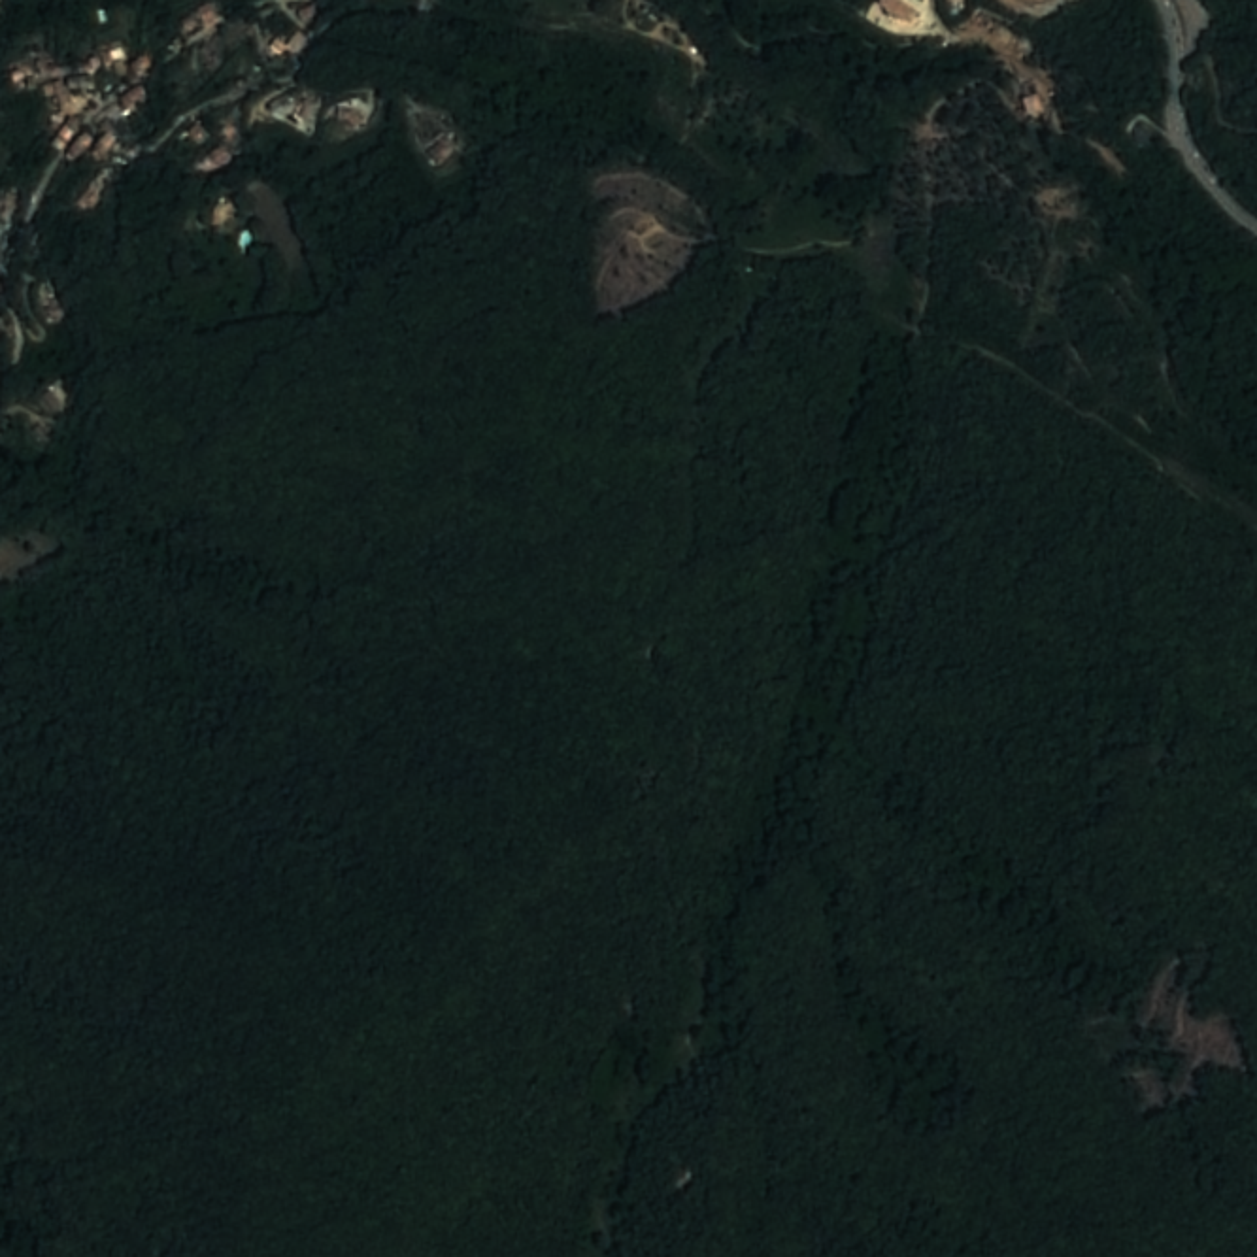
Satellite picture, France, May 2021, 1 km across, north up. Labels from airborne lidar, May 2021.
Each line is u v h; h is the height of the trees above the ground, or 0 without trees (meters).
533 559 13
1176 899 16
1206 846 17
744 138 8
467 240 13
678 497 20
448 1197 12
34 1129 12
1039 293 11
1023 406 11
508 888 13
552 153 16
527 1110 16
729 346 14
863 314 17
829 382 12
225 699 12
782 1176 16
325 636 15
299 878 12
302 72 10
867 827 12
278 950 9
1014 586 8
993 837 12
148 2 6
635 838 12
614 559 16
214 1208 11
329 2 10
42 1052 9
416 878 9
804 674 9
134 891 8
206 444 13
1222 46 12
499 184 14
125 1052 9
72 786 10
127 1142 12
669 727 11
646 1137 13
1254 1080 16
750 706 15
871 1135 10
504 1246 9
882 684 14
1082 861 12
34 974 17
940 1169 16
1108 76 7
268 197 0
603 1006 17
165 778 11
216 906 11
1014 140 17
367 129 0
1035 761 11
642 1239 16
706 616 19
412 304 11
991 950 12
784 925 15
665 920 10
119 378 14
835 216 11
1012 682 11
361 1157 16
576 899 12
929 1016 18
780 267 13
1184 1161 21
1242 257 6
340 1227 12
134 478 10
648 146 12
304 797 13
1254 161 8
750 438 11
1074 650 12
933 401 9
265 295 17
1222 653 17
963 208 9
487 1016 10
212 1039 9
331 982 11
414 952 14
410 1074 16
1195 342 24
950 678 11
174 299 13
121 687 13
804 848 23
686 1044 0
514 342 13
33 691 16
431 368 15
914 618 12
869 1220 14
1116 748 14
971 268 9
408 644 14
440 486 12
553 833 10
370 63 14
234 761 14
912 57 13
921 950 11
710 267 15
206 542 13
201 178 7
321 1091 14
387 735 13
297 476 14
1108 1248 14
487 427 13
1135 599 15
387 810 10
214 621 14
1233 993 13
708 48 17
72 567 8
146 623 8
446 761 7
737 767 17
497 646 12
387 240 7
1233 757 19
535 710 9
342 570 11
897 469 7
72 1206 14
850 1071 18
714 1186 11
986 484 11
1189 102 11
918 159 10
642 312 15
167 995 9
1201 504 12
